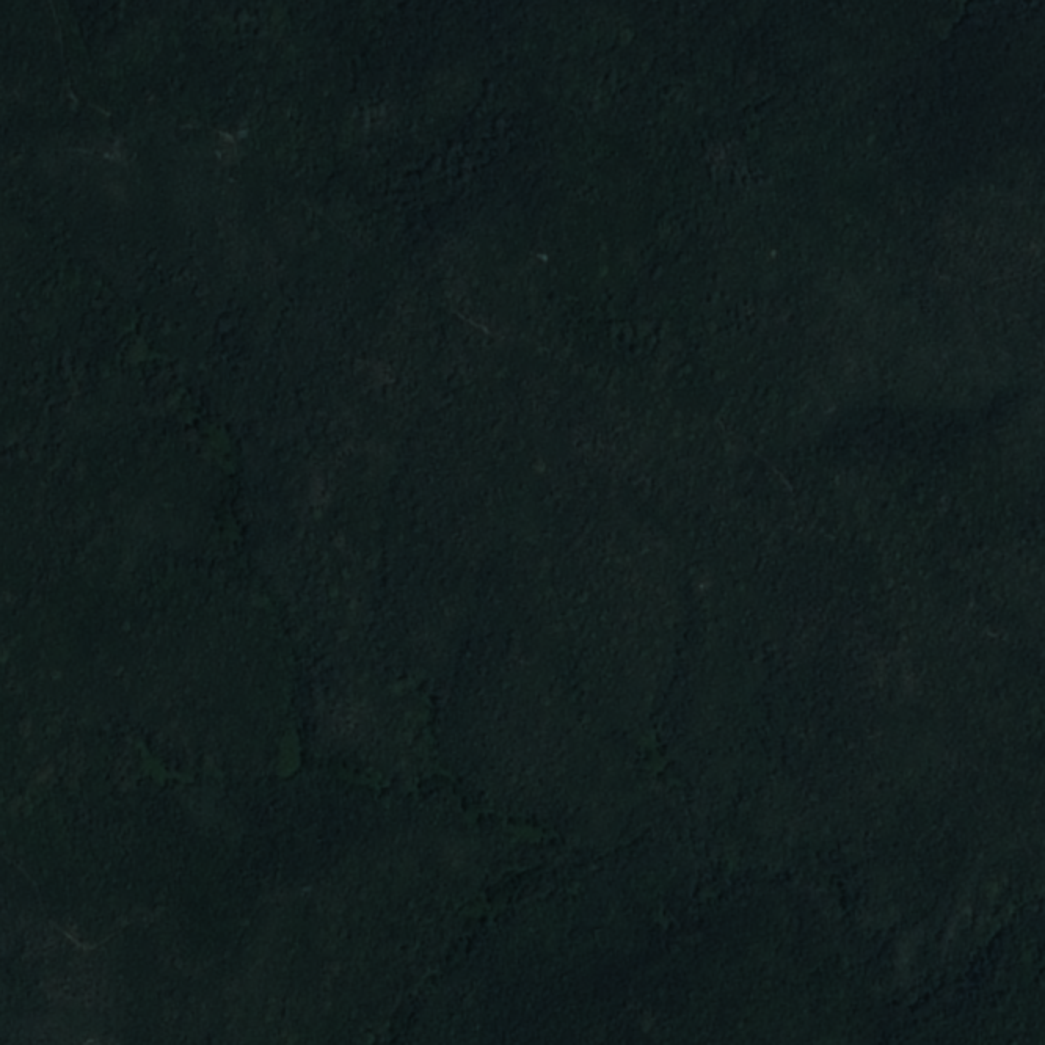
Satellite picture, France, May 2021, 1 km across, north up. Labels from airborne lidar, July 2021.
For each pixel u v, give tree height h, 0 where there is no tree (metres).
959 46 18
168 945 6
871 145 7
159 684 7
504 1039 7
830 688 7
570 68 8
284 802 10
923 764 6
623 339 17
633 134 9
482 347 7
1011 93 13
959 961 10
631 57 10
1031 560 13
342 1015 7
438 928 10
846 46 6
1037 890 14
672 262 6
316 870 6
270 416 6
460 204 13
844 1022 6
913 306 7
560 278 7
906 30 9
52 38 6
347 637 9
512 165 12
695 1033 6
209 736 12
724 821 10
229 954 8
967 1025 6
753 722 7
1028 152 9
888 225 8
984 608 8
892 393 9
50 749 6
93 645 7
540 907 8
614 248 6
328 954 6
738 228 6
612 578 8
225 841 7
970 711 9
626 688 6
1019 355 8
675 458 7
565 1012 7
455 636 8
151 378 13
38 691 7
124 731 12
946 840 11
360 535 6
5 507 12
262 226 5
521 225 9
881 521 7
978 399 6
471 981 6
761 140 8
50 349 8
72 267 11
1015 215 6
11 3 6
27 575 8
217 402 17
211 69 12
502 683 10
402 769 7
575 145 6
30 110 6
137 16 9
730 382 6
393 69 12
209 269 6
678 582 5
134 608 7
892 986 10
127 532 7
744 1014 7
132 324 11
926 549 6
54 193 9
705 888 15
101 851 7
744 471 11
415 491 11
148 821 7
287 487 8
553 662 8
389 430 6
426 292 6
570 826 11
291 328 7
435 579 8
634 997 8
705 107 10
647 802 8
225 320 15
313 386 7
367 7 18
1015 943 9
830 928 10
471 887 7
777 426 8
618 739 9
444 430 6
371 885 9
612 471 7
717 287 6
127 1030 6
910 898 12
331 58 13
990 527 10
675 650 7
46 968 7
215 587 6
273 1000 11
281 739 8
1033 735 9
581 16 8
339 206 9
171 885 9
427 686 17
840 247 8
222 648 6
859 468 7
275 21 11
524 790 11
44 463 7
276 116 6
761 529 7
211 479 9
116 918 11
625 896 7
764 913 8
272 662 10
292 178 6
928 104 15
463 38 10
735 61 10
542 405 7
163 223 5
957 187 7
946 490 6
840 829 7
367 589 8
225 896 7
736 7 10
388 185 13
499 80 16
